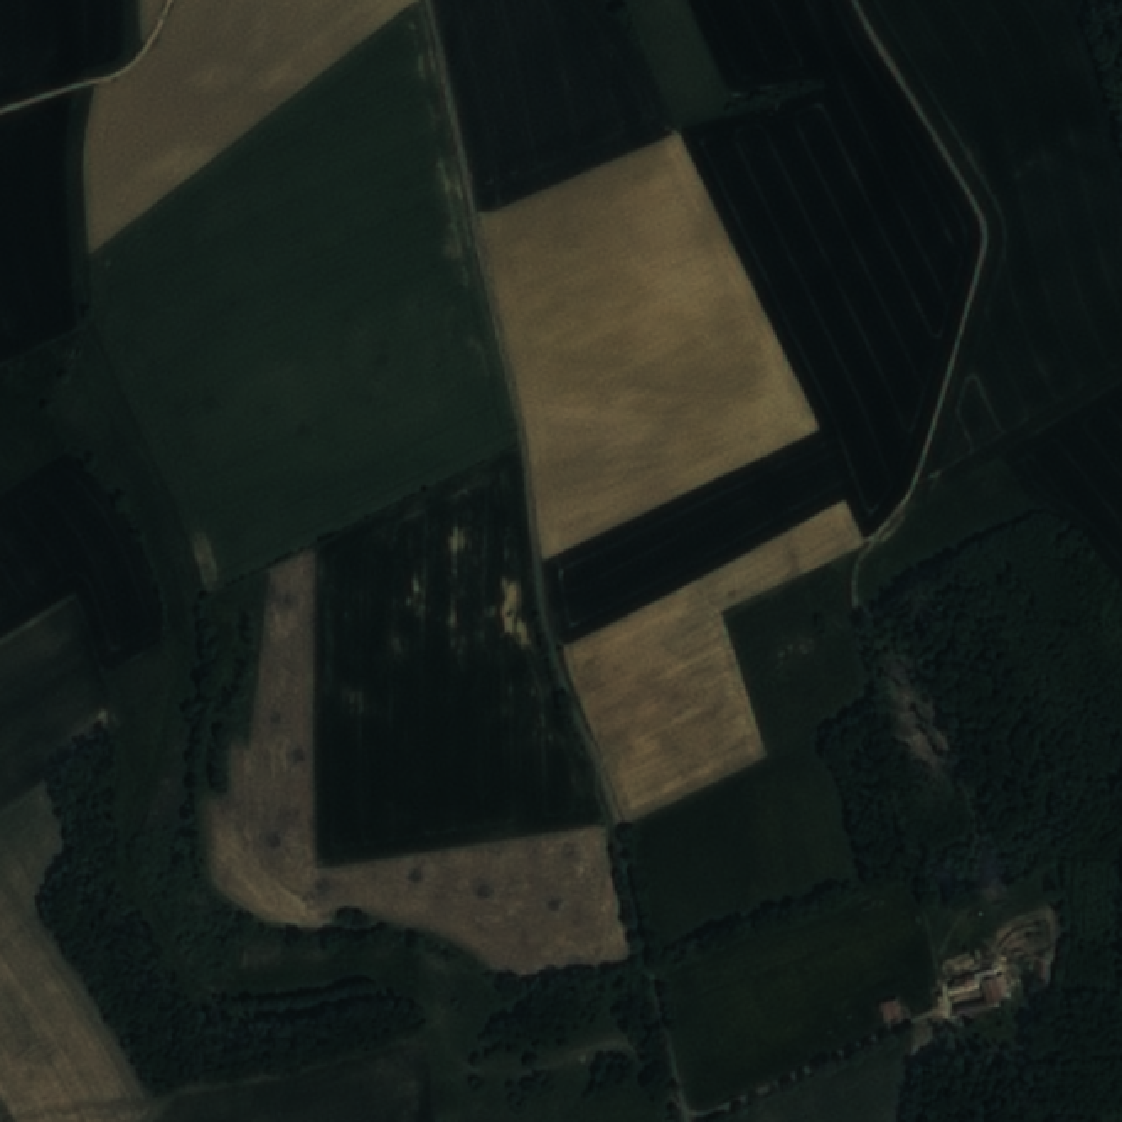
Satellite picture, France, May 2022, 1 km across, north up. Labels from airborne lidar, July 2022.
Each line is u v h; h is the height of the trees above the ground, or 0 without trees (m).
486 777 0
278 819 0
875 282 0
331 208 0
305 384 0
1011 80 0
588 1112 0
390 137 0
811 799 0
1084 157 0
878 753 24
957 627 25
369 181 0
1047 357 0
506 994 12
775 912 17
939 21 0
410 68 0
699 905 0
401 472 0
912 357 0
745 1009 0
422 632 0
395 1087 0
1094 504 0
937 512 0
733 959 0
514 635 0
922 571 11
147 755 0
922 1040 0
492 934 0
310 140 0
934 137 0
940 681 28
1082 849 12
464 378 0
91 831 21
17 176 0
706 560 0
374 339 0
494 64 0
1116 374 0
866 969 0
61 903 21
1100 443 0
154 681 0
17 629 0
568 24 0
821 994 0
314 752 0
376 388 0
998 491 0
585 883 0
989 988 0
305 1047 23
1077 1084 22
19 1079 0
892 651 11
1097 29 21
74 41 0
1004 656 24
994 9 0
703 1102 0
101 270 0
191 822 18
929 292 0
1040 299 0
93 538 0
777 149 0
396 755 0
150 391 0
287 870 0
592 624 0
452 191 0
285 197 0
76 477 0
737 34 0
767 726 0
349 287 0
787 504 0
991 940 0
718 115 0
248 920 16
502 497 0
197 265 0
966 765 25
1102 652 6
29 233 0
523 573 0
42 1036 0
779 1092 11
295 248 0
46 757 0
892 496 0
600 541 0
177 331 0
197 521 0
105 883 20
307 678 0
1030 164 0
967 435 0
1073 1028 22
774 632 0
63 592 0
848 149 0
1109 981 16
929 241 0
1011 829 16
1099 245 0
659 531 0
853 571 0
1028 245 0
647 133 0
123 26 0
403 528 0
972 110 0
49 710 0
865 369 0
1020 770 29
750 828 0
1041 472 0
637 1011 15
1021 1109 25
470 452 0
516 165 0
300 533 0
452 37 0
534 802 0
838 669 0
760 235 0
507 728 0
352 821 0
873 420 0
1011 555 15
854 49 0
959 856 9
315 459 0
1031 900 0
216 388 0
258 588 0
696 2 0
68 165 0
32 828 0
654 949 17
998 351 0
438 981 0
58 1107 0
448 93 0
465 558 0
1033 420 0
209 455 0
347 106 0
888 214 0
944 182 0
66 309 0
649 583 0
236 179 0
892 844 23
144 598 0
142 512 0
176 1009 27
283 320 0
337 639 0
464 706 0
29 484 0
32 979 0
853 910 0
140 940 27
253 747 0
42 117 0
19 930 0
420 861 0
